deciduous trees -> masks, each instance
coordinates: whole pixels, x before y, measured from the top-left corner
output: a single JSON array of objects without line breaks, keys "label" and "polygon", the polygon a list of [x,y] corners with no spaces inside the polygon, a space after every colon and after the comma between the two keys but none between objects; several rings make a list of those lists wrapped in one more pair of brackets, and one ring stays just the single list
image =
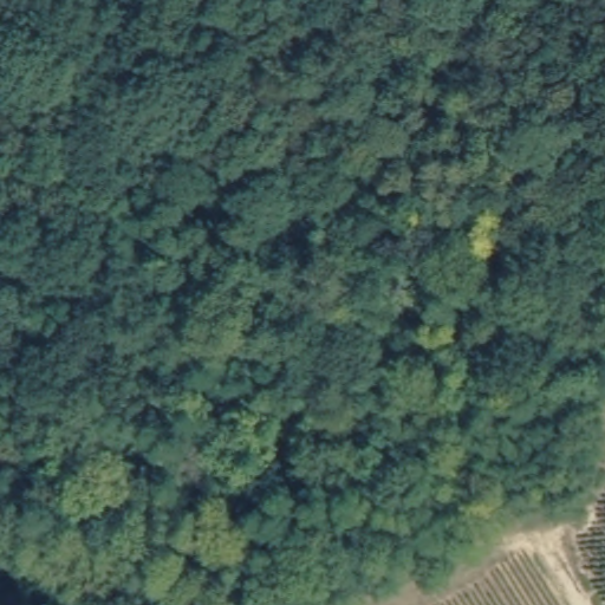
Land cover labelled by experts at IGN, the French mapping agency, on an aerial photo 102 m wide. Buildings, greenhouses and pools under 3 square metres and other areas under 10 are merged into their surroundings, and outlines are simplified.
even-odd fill
[{"label": "deciduous trees", "polygon": [[454,579],[461,572],[482,567],[499,548],[506,534],[551,529],[560,522],[567,525],[581,527],[586,508],[593,506],[600,492],[605,489],[605,0],[0,0],[0,605],[383,605],[399,598],[414,581],[421,591],[425,591],[428,598],[440,596],[454,584]]}]

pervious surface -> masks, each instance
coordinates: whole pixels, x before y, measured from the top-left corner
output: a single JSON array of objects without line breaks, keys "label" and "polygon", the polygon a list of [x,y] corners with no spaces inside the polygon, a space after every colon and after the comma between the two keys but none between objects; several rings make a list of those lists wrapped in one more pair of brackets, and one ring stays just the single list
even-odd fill
[{"label": "pervious surface", "polygon": [[499,548],[541,555],[551,574],[562,584],[565,596],[572,605],[593,605],[591,593],[574,581],[567,551],[562,548],[562,529],[567,525],[560,522],[551,529],[506,534]]}]

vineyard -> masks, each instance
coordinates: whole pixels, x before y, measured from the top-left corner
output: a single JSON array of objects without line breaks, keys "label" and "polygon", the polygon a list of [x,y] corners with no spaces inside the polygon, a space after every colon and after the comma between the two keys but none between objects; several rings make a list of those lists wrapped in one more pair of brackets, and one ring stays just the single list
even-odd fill
[{"label": "vineyard", "polygon": [[600,492],[593,506],[598,515],[596,527],[586,534],[579,534],[581,551],[591,551],[591,560],[586,565],[588,570],[593,570],[591,593],[593,605],[605,605],[605,489]]},{"label": "vineyard", "polygon": [[551,574],[541,555],[499,548],[482,567],[461,572],[454,579],[454,584],[440,596],[428,598],[425,591],[421,591],[414,581],[399,598],[383,605],[572,605],[565,596],[562,584]]}]

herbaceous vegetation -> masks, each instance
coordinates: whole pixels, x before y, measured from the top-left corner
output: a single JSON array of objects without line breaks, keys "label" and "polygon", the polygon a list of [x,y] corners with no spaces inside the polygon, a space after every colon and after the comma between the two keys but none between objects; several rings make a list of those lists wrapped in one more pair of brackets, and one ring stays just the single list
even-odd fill
[{"label": "herbaceous vegetation", "polygon": [[598,515],[593,506],[586,508],[581,527],[567,525],[562,529],[562,548],[567,551],[574,581],[591,593],[593,570],[588,570],[586,565],[591,560],[591,551],[581,551],[579,534],[586,534],[596,527]]}]

